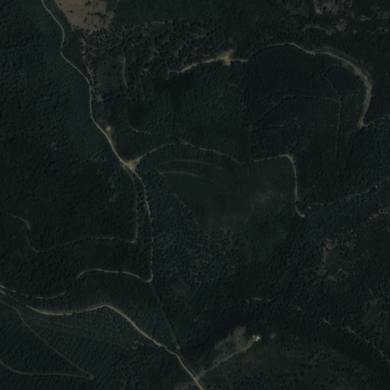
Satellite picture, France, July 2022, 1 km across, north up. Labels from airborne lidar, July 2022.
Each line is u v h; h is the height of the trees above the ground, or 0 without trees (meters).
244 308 19
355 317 18
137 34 19
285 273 17
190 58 23
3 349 17
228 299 13
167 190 14
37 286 23
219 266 18
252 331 7
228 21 12
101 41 20
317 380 18
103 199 16
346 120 20
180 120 12
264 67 21
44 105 17
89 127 9
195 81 16
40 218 16
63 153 16
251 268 10
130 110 14
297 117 18
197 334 13
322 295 17
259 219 9
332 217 17
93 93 14
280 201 10
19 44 11
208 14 10
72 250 19
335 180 15
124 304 13
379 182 14
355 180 15
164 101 16
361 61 10
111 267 8
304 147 17
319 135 16
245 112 11
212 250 15
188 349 17
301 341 7
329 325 24
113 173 14
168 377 11
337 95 19
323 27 15
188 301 13
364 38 23
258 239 8
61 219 21
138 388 17
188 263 12
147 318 15
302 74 22
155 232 13
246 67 16
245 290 11
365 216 13
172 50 26
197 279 12
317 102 20
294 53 21
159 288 18
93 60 21
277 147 12
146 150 10
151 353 15
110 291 17
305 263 12
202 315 12
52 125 8
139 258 19
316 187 9
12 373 15
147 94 17
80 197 19
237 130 13
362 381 12
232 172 7
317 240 13
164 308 14
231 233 11
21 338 19
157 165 13
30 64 12
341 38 16
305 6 9
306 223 17
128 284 16
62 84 13
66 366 16
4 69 13
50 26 10
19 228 16
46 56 8
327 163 22
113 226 20
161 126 15
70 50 7
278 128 14
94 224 18
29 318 9
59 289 13
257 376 16
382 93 23
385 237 14
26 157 21
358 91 18
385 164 21
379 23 20
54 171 7
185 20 6
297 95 21
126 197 17
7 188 19
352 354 21
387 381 21
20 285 14
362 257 18
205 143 12
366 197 15
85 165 16
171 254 13
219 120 12
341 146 22
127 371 16
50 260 22
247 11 10
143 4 6
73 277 13
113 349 13
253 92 16
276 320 22
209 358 8
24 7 12
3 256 22
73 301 10
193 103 10
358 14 11
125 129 9
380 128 15
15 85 13
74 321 12
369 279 19
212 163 11
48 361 16
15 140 26
